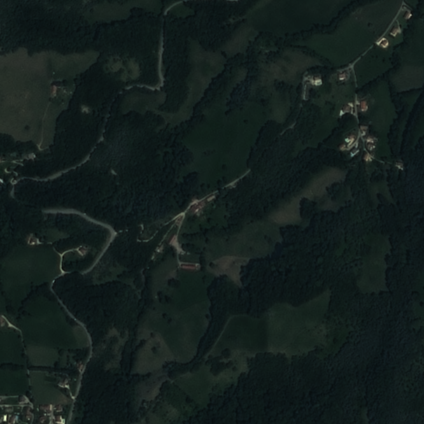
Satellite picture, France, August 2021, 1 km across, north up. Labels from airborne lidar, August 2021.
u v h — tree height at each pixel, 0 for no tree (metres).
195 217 6
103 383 24
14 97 0
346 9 14
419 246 16
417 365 8
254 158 19
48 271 0
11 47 9
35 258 0
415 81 0
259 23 0
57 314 0
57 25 18
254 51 10
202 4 16
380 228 14
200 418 31
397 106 19
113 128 15
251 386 19
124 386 30
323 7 0
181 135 16
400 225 23
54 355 0
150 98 0
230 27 23
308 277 24
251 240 0
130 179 17
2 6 9
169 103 15
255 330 0
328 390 24
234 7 23
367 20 0
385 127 0
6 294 11
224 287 17
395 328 18
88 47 17
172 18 18
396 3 0
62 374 6
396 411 11
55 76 0
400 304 17
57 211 0
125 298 11
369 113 0
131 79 6
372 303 15
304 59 0
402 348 15
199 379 0
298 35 17
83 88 17
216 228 20
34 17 10
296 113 14
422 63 0
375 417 13
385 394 17
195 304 0
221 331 7
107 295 30
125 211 15
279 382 18
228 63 7
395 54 11
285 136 12
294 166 13
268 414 35
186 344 0
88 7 8
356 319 7
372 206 16
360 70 0
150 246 13
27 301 17
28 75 0
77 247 14
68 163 18
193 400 7
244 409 29
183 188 17
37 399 0
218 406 28
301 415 24
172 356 0
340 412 18
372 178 11
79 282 19
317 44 0
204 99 17
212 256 0
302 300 17
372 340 18
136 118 18
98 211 12
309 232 16
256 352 0
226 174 0
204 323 0
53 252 0
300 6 0
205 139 0
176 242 0
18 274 0
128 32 31
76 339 0
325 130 0
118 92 17
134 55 9
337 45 0
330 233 21
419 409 13
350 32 0
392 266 23
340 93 0
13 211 26
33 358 0
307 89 0
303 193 0
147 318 0
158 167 20
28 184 19
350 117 16
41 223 13
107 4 0
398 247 20
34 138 0
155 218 10
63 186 25
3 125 0
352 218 13
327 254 24
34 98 0
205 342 12
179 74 20
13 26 12
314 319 0
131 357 6
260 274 28
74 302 22
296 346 0
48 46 13
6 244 24
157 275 0
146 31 25
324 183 0
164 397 9
